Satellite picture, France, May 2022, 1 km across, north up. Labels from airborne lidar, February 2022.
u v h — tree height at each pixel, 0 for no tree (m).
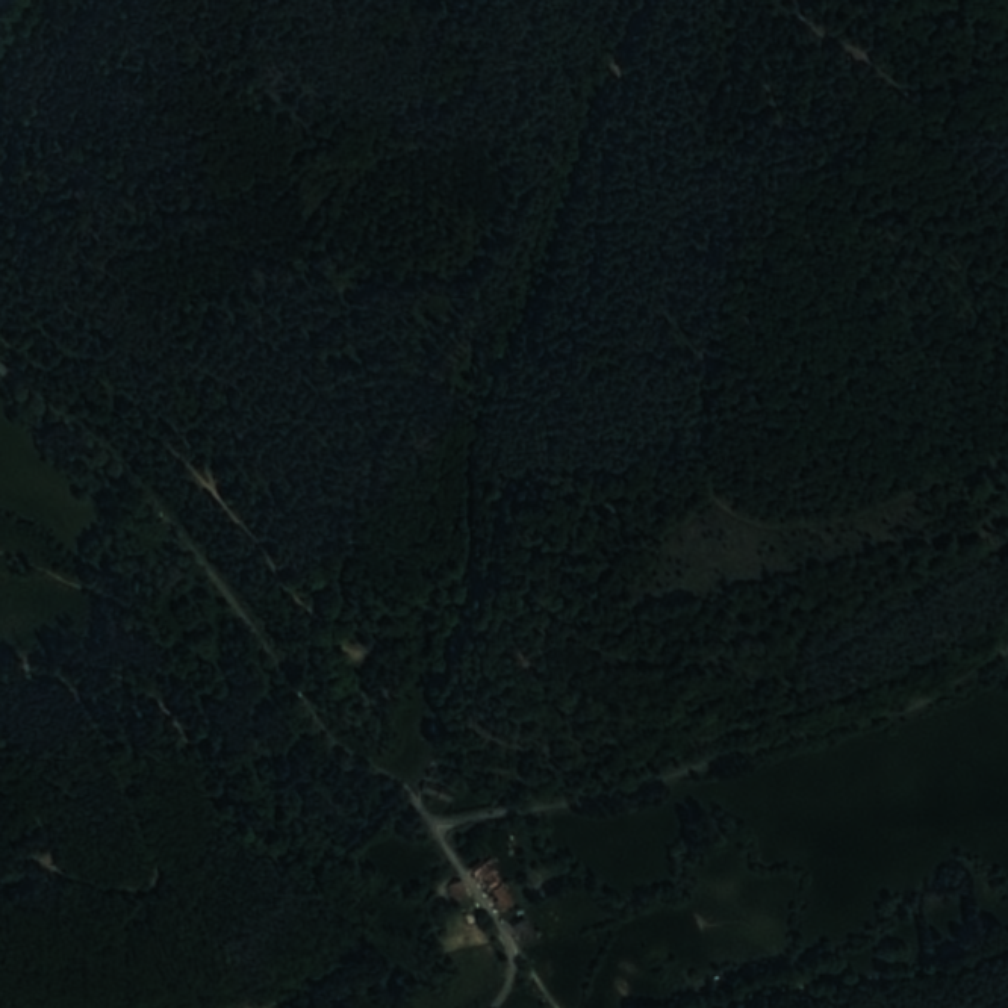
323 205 12
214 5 25
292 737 7
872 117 26
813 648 27
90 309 25
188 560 28
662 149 36
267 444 23
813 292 26
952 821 0
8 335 25
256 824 35
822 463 29
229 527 35
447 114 32
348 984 26
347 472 33
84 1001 19
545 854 15
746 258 25
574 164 10
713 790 0
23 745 26
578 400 24
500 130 29
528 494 35
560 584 30
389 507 23
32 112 23
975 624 27
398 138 31
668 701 24
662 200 34
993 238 26
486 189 17
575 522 29
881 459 28
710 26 12
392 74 24
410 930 0
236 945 19
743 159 30
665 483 27
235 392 30
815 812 0
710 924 0
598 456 30
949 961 26
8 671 27
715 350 21
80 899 21
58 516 0
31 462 0
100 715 32
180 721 33
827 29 13
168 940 19
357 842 29
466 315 29
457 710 24
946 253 25
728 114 18
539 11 37
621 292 38
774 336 27
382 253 13
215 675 23
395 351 31
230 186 22
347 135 29
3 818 16
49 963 19
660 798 24
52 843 17
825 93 18
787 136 24
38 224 33
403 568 28
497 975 0
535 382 28
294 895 20
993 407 27
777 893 0
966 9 31
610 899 22
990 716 0
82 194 29
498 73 36
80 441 27
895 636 23
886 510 0
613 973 0
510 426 27
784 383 27
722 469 28
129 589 27
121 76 23
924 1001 26
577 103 27
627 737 21
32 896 24
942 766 0
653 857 0
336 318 32
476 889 0
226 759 19
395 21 22
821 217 29
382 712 19
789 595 35
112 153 26
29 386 35
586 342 31
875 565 11
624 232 34
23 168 29
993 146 25
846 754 0
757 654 23
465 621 31
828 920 0
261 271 30
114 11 25
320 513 29
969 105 29
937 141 23
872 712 23
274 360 34
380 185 11
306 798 29
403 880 0
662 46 36
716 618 26
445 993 9
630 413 28
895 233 28
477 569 15
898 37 24
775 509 23
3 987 19
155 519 31
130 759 26
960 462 27
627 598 21
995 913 0
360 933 14
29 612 0
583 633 30
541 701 23
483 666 24
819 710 27
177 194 19
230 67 15
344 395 29
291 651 31
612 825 0
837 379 26
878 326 26
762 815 0
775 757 13
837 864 0
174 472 28
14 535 0
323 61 25
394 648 23
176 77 21
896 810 0
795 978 19
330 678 24
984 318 24
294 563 26
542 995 15
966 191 27
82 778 19
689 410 26
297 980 16
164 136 26
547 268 27
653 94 34
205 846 19
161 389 37
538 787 20
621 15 21
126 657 28
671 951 0
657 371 26
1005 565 26
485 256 26
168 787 17
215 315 29
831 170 26
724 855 0
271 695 11
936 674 24
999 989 23
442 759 11
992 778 0
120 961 21
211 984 22
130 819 15
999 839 0
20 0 21
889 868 0
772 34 17
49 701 31
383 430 32
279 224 15
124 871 19
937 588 26
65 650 26
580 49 35
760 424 28
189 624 15
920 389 25
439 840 0
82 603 0
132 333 22
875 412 25
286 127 21
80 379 35
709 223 28
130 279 9
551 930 0
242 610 0
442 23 29
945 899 26
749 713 22
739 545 0
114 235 23
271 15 19
